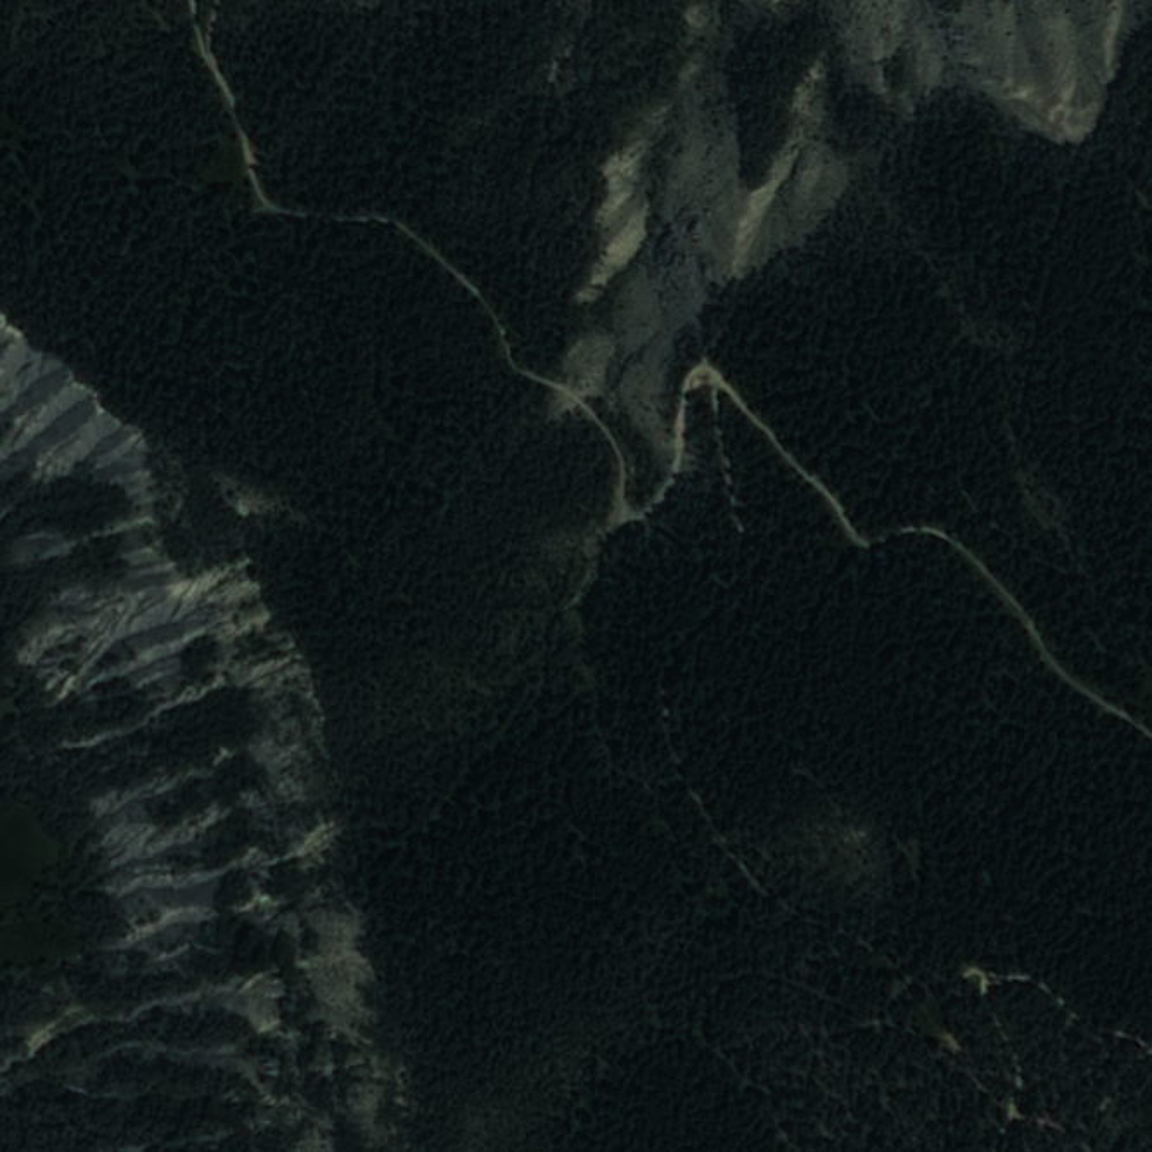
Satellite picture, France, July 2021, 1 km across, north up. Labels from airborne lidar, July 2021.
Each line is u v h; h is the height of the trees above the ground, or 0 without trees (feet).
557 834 83
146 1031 29
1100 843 74
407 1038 34
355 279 97
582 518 39
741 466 36
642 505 33
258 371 55
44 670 0
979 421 101
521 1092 32
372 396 41
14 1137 45
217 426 72
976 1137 69
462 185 39
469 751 60
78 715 26
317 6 32
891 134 21
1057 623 85
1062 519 20
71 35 43
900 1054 50
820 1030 58
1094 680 53
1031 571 58
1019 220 70
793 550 97
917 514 83
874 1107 53
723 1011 50
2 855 0
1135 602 38
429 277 57
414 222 53
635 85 44
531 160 35
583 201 24
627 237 0
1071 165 20
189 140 28
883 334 93
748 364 76
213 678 20
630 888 28
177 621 0
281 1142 20
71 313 64
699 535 57
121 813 0
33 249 92
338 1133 19
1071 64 0
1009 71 0
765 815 40
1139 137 68
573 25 33
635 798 64
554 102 37
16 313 43
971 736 81
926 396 45
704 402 67
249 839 23
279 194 51
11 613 35
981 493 84
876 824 23
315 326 85
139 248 94
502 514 43
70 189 53
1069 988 44
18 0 42
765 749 88
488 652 34
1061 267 84
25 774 39
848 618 98
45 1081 36
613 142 51
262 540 34
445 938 79
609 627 26
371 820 43
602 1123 49
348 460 67
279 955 34
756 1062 55
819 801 31
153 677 0
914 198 67
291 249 47
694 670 96
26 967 22
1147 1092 67
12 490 27
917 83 0
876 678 99
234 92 33
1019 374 44
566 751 28
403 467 58
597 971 76
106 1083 32
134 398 52
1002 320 80
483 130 31
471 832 85
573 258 31
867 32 0
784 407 67
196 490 19
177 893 0
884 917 26
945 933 68
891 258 51
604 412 41
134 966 22
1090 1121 72
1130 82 49
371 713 44
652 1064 77
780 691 87
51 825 53
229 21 19
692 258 0
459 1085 31
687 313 0
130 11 37
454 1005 64
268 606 21
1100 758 82
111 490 20
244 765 25
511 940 46
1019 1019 46
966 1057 49
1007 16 0
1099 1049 91
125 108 48
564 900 70
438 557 50
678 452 0
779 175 0
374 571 54
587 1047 48
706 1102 61
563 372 19
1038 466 31
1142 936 76
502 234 63
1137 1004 64
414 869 50
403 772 74
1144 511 80
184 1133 35
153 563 0
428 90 68
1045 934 74
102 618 0
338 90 63
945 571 72
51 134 30
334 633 26
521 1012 45
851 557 82
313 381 59
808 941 92
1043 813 104
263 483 38
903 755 91
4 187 43
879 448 56
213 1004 0
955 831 81
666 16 51
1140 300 55
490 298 43
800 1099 52
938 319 82
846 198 26
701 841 47
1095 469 98
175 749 44
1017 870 85
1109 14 0
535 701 37
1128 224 119
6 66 21
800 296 55
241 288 80
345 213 41
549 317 74
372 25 70
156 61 78
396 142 38
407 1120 20
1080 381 83
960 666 72
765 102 28
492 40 56
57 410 0
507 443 70
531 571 55
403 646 37
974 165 64
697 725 52
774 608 81
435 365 55
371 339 71
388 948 45
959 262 57
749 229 0
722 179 0
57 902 54
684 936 75
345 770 31
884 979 64
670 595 76
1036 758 91
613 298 23
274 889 24
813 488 43
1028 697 63
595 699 42
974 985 22
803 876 53
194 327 90
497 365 51
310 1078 23
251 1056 23
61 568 27
